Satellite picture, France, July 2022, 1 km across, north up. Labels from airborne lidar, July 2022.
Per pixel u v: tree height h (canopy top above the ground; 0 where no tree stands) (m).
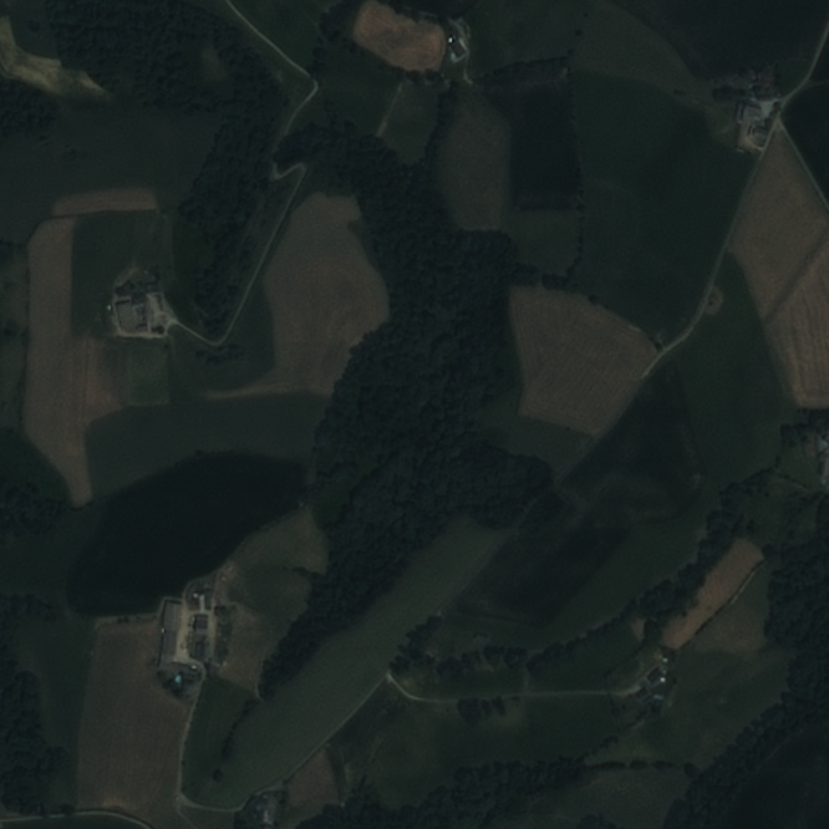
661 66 0
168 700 0
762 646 0
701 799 19
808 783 0
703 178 0
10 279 0
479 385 21
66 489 0
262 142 7
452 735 0
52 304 0
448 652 0
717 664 0
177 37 17
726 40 0
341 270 0
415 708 0
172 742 0
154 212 0
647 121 0
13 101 25
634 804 0
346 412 29
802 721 21
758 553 0
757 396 0
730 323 0
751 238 0
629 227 0
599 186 0
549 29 0
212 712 0
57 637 0
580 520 0
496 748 0
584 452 0
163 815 0
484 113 0
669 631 0
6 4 0
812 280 0
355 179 14
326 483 22
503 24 0
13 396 0
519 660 24
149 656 0
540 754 0
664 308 0
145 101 6
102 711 0
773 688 0
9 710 28
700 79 0
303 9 0
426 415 34
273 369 0
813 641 18
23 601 24
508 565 0
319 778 0
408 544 29
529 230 0
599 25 0
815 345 0
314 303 0
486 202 0
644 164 0
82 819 0
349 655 0
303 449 0
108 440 0
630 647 0
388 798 0
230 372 0
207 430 0
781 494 0
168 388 0
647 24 0
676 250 0
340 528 18
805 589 29
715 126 0
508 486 26
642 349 0
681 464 0
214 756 0
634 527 0
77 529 0
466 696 0
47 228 0
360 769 0
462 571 0
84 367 0
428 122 0
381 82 0
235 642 0
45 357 0
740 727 0
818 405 0
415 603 0
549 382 0
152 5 14
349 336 0
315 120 0
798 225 0
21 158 0
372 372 29
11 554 0
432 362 29
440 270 35
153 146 0
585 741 0
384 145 7
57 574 0
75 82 0
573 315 0
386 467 26
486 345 28
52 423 0
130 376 0
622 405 0
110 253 0
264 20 0
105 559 0
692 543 0
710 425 0
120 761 0
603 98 0
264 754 0
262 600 0
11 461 0
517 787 18
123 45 20
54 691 0
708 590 0
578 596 0
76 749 0
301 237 0
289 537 0
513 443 0
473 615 0
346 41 6
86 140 0
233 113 16
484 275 28
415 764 0
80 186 0
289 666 16
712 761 0
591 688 0
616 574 0
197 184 8
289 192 0
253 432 0
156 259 0
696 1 0
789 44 0
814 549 7
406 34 0
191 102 7
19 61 0
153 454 0
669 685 0
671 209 0
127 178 0
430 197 26
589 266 0
